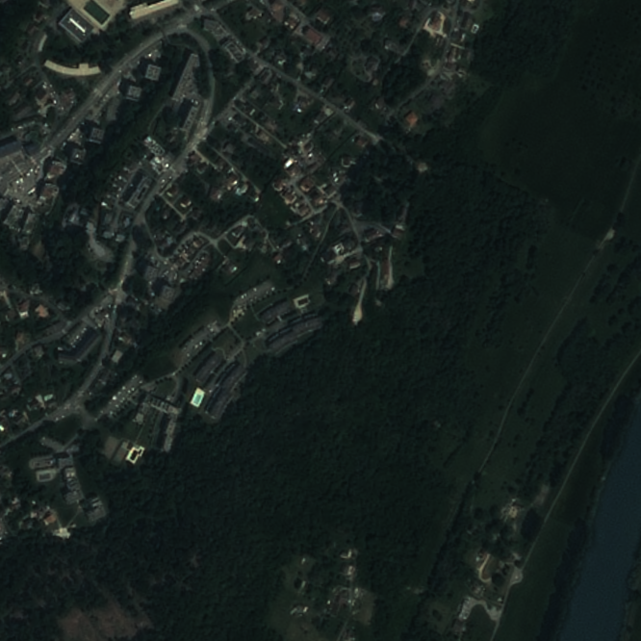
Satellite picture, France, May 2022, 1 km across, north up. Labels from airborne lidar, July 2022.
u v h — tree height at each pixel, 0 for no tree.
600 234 0
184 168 0
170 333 9
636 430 0
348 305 12
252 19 6
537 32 24
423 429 19
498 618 0
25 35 7
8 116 14
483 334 7
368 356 9
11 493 9
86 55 28
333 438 13
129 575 17
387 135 25
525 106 0
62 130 0
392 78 15
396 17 5
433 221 18
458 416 13
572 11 23
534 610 0
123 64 0
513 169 0
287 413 6
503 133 0
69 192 29
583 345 21
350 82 0
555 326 0
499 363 0
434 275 25
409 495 18
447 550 16
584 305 0
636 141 0
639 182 0
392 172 31
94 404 11
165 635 14
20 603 22
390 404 16
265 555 6
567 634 0
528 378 0
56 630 21
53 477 0
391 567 19
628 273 17
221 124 7
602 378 22
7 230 21
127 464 0
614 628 0
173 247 10
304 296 0
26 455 0
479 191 30
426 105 0
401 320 19
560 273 0
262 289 0
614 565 0
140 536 28
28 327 7
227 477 16
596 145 0
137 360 17
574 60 0
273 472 12
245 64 13
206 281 12
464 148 13
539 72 18
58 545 17
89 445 12
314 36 0
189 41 13
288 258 8
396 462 18
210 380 7
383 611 11
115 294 0
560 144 0
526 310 0
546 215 8
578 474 0
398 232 0
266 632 23
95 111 0
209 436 13
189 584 14
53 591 20
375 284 9
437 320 25
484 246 22
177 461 17
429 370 18
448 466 9
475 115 7
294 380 12
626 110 13
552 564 0
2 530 0
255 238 11
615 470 0
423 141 10
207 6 15
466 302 22
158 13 0
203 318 0
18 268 25
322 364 14
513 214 12
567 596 24
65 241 30
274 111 0
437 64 0
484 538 18
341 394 13
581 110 0
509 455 0
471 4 6
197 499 22
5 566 20
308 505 19
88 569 20
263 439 13
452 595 9
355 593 0
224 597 14
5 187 0
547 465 23
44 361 11
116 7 0
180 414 8
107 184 5
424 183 29
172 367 0
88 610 10
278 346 0
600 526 0
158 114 0
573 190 0
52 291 23
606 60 0
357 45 5
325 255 0
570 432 7
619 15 0
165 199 11
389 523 17
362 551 7
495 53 21
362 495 15
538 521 32
